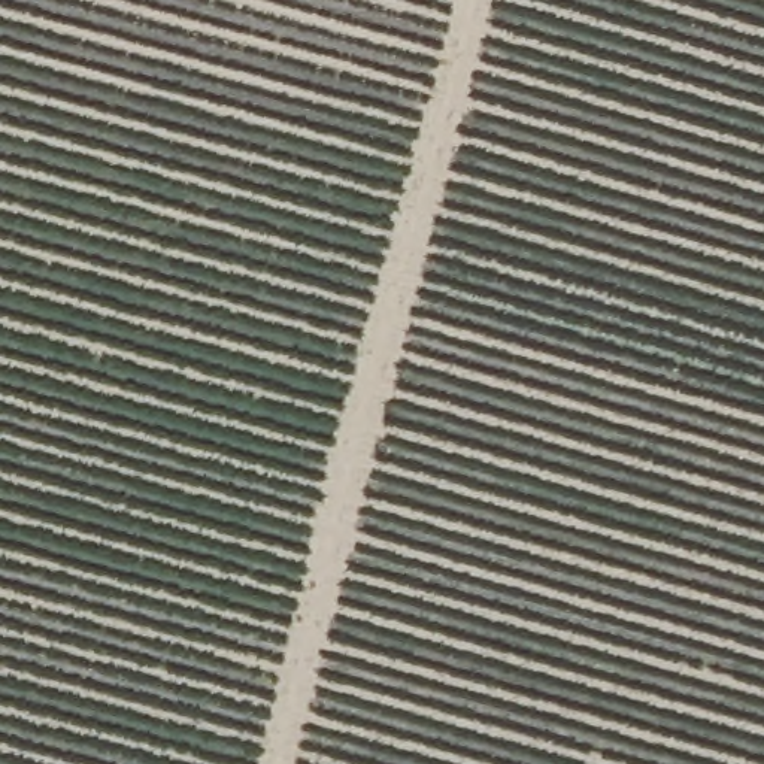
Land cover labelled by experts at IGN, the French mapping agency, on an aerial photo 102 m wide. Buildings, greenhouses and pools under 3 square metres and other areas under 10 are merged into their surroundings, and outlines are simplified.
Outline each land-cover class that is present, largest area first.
<instances>
[{"label":"vineyard","instance_id":"1","mask_svg":"<svg viewBox=\"0 0 764 764\"><path fill-rule=\"evenodd\" d=\"M454 0H0V764H260L266 719L272 716L278 689L275 671L287 654L292 612L298 606L295 600L307 570L313 510L322 501L325 454L334 445L337 418L349 394L355 352L361 346L376 281L382 275L385 248L391 239L403 182L412 170V143L421 131V110L433 96V75L439 66L436 57L451 24ZM472 113H466L457 128L460 149L451 161L454 173L445 182V200L433 221V245L424 263L418 304L412 307L403 358L397 361V388L394 397L385 403V436L376 442V463L364 486V504L358 510L361 534L355 540L349 567L343 570L340 606L331 621L328 642L322 648V669L310 704L316 716L313 722H304L295 764H764V0H492L489 27L480 42V63L472 72Z\"/></svg>","mask_w":764,"mask_h":764},{"label":"pervious surface","instance_id":"2","mask_svg":"<svg viewBox=\"0 0 764 764\"><path fill-rule=\"evenodd\" d=\"M492 0H454L451 24L436 57L439 66L433 75V96L421 110V131L412 143V170L403 182L391 239L385 248L382 275L376 281L361 346L355 352L349 394L337 418L334 445L325 454L322 501L313 510L307 570L295 600L298 606L292 612L287 654L275 671L278 689L272 716L266 719L260 764H295L304 722H313L316 716L310 704L322 669V648L328 642L331 621L340 606L343 570L349 567L355 540L361 534L358 510L364 504V486L376 463V442L385 436V403L394 397L397 388V361L403 358L412 307L418 304L424 263L433 245V221L445 200V182L454 173L451 161L460 149L457 128L466 113H472V72L480 63V42L489 27Z\"/></svg>","mask_w":764,"mask_h":764}]
</instances>
